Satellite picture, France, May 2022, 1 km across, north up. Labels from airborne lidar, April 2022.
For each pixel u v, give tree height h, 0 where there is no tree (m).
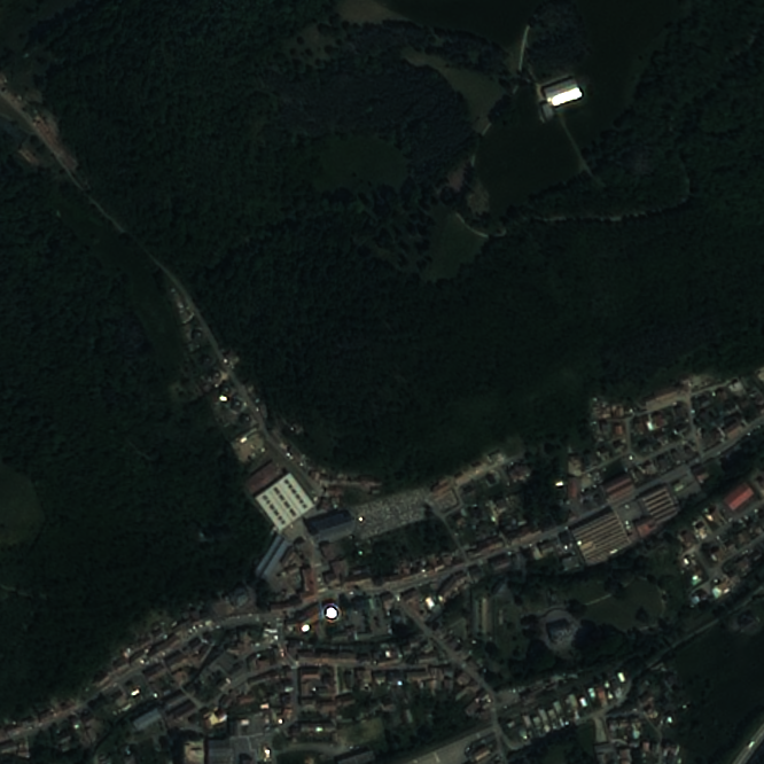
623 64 0
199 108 8
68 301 31
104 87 12
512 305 18
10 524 0
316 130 21
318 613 0
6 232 27
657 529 0
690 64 25
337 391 16
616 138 14
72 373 21
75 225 0
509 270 21
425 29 8
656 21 0
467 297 21
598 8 0
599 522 0
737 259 13
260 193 14
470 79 0
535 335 19
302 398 10
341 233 24
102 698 11
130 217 13
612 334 19
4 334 14
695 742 0
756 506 0
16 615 9
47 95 17
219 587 19
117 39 13
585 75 0
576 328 22
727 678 0
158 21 11
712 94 19
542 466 7
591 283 16
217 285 16
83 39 19
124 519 10
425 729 8
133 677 0
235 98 11
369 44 22
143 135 14
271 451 0
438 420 7
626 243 13
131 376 22
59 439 19
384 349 15
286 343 19
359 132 21
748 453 13
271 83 18
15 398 11
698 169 24
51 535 11
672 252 19
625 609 0
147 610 10
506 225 21
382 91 26
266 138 10
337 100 22
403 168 0
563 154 0
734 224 19
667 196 18
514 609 0
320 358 20
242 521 28
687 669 0
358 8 0
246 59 13
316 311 12
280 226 7
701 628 0
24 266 21
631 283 17
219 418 0
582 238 12
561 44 22
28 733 0
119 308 27
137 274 0
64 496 15
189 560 19
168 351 0
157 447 20
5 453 9
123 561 18
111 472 15
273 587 0
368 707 7
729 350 19
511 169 0
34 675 10
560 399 8
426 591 0
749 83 23
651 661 12
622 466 0
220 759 0
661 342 27
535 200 15
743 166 25
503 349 15
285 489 0
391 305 8
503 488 0
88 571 22
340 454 16
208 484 19
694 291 17
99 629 22
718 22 21
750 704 0
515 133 0
